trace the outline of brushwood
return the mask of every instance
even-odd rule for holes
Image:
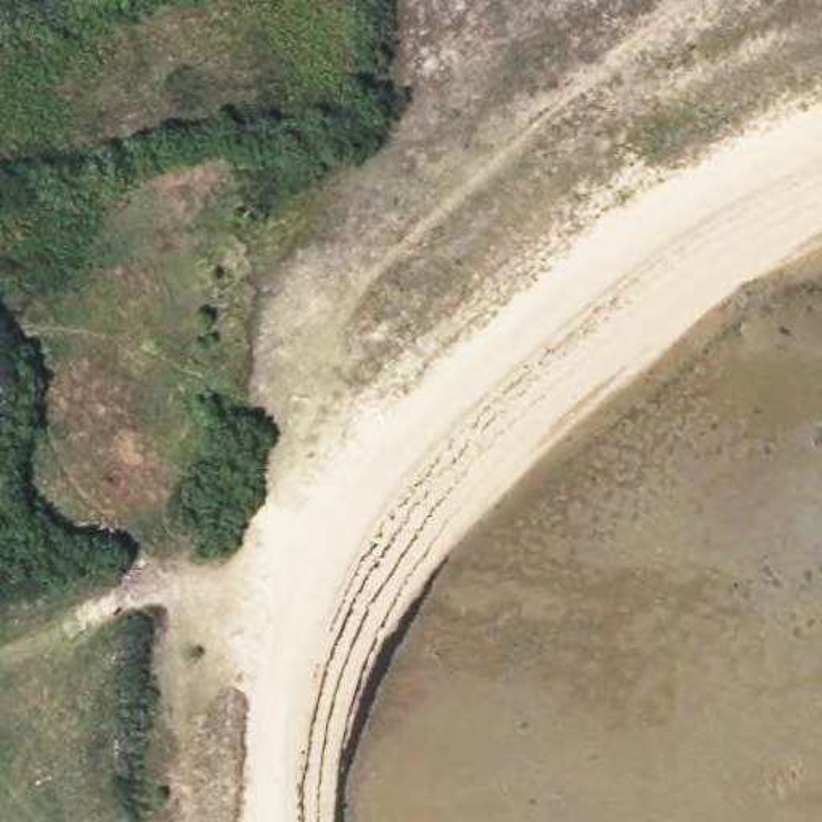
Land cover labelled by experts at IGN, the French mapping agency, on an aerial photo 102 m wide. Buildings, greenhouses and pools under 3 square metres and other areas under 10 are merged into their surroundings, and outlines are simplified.
[[[196,536],[196,559],[202,562],[231,559],[244,546],[244,533],[254,514],[267,501],[267,466],[276,440],[260,424],[247,417],[241,421],[234,414],[238,405],[228,401],[222,392],[199,395],[199,405],[212,414],[206,427],[206,456],[199,456],[189,466],[189,472],[177,478],[170,507]]]
[[[119,665],[112,668],[112,681],[125,684],[128,690],[128,703],[116,703],[116,722],[122,726],[125,774],[112,777],[112,796],[119,800],[128,822],[177,822],[180,800],[170,793],[170,787],[148,780],[151,729],[157,719],[161,684],[154,678],[154,642],[164,629],[167,613],[164,607],[144,607],[116,610],[112,617],[125,626],[125,636],[132,642],[125,658],[119,658]]]
[[[356,10],[356,64],[353,74],[337,80],[337,87],[324,100],[308,93],[299,103],[286,103],[286,77],[263,74],[254,77],[260,93],[257,103],[228,103],[222,106],[222,112],[231,122],[234,148],[273,151],[276,138],[292,138],[299,154],[321,151],[331,144],[347,167],[360,167],[385,148],[395,122],[414,100],[411,87],[392,83],[395,51],[401,48],[401,0],[350,0]]]

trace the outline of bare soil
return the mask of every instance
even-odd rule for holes
[[[267,466],[267,501],[254,514],[244,533],[244,546],[231,559],[202,562],[161,562],[138,555],[122,584],[103,594],[100,600],[87,600],[48,629],[0,645],[0,665],[16,665],[45,649],[74,658],[74,649],[90,639],[90,633],[100,623],[112,617],[116,610],[144,607],[164,607],[167,613],[164,629],[154,642],[154,678],[161,684],[157,719],[170,726],[180,748],[167,774],[170,787],[170,793],[180,800],[177,822],[822,822],[822,0],[401,0],[401,48],[395,51],[392,83],[411,87],[414,100],[395,122],[385,148],[360,167],[366,173],[366,186],[340,199],[347,209],[347,222],[337,228],[337,241],[328,247],[299,250],[292,267],[283,273],[279,295],[263,308],[260,318],[250,405],[263,408],[276,421],[276,440]]]

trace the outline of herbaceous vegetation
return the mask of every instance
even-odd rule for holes
[[[247,417],[260,424],[276,440],[276,421],[263,408],[250,405],[260,318],[263,308],[279,295],[283,273],[292,267],[299,250],[328,247],[337,241],[337,228],[347,222],[347,209],[340,199],[366,186],[366,173],[360,167],[347,167],[331,144],[321,151],[299,154],[292,138],[276,138],[273,151],[234,148],[231,122],[222,112],[222,106],[228,103],[257,103],[260,93],[254,77],[263,74],[286,77],[286,103],[299,103],[308,93],[324,100],[337,87],[337,80],[353,74],[356,64],[356,10],[350,0],[0,0],[0,645],[48,629],[87,600],[100,600],[103,594],[122,584],[138,555],[161,562],[202,562],[196,559],[196,536],[170,507],[177,478],[189,472],[189,466],[199,456],[206,456],[206,427],[212,414],[199,405],[199,395],[222,392],[228,401],[238,405],[234,414],[241,421]]]
[[[119,665],[119,658],[125,658],[132,642],[125,636],[125,626],[112,617],[100,623],[90,633],[90,639],[74,649],[74,658],[45,649],[16,665],[0,665],[0,822],[128,822],[119,800],[112,796],[112,777],[125,774],[122,726],[116,722],[116,703],[128,703],[128,690],[125,684],[112,681],[112,668]]]
[[[170,787],[167,774],[180,748],[170,726],[157,719],[151,729],[148,780]]]

